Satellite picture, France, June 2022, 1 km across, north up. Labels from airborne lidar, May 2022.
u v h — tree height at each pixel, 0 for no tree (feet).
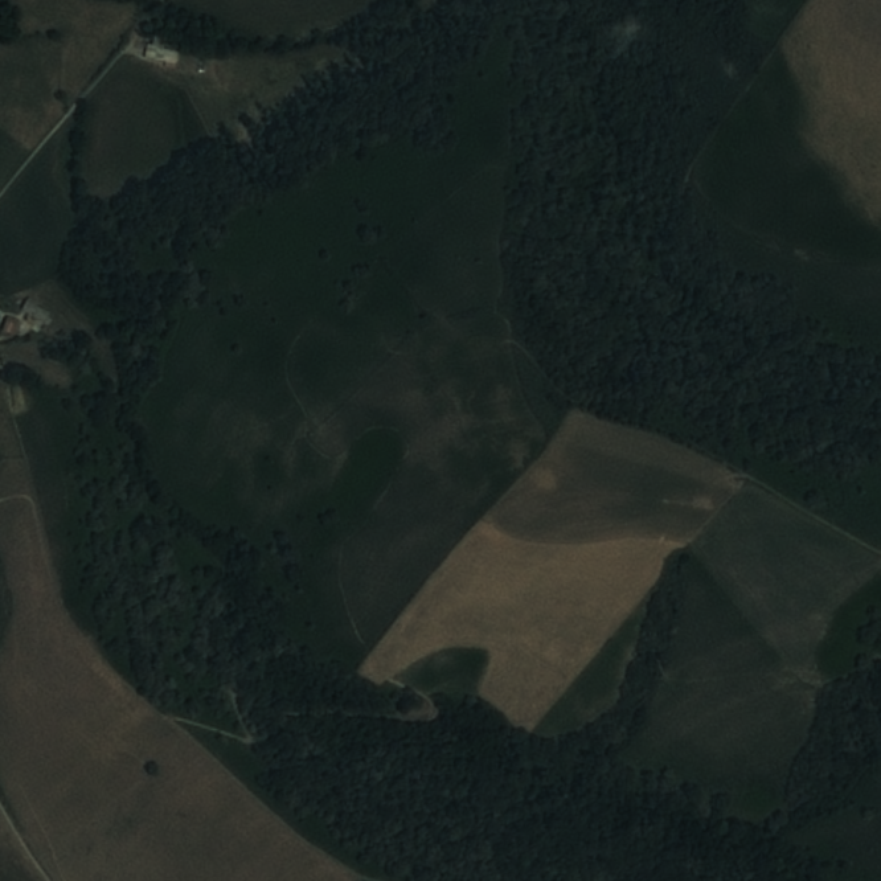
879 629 52
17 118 0
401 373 0
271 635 33
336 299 0
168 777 0
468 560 0
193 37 74
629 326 100
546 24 83
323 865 0
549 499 0
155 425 0
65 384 0
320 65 0
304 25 0
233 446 0
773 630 0
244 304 41
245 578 56
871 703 83
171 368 0
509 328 0
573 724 0
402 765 26
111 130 0
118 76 0
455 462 0
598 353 45
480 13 65
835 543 0
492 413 0
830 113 0
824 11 0
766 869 71
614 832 71
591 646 0
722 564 0
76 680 0
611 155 95
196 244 27
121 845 0
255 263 0
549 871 58
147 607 45
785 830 45
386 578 0
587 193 44
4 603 0
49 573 0
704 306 92
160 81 0
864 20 0
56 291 0
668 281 65
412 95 79
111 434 0
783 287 53
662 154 42
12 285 0
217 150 97
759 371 84
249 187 57
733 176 0
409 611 0
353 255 0
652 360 77
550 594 0
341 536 0
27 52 0
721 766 0
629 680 22
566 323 51
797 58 0
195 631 21
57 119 0
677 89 52
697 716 0
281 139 91
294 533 0
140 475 28
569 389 36
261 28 0
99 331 31
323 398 0
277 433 0
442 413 0
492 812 54
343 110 87
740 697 0
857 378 89
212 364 0
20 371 52
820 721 29
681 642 0
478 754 56
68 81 0
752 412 51
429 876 51
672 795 66
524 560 0
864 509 0
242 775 0
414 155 0
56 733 0
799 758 25
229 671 58
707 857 48
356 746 72
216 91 0
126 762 0
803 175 0
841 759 71
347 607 0
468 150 0
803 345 82
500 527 0
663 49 42
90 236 58
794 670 0
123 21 0
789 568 0
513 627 0
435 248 0
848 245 0
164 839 0
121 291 47
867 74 0
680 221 69
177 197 73
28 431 0
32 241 0
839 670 0
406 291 0
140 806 0
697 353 76
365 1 0
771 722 0
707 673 0
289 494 0
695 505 0
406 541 0
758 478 0
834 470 37
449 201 0
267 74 0
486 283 0
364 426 0
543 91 74
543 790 49
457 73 55
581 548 0
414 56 89
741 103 0
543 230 79
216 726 0
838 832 0
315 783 59
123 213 48
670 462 0
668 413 20
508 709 0
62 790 0
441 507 0
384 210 0
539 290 37
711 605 0
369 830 47
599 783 85
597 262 87
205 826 0
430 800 59
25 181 0
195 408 0
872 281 0
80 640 0
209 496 0
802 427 53
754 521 0
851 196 0
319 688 54
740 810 0
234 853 0
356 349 0
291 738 70
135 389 30
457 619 0
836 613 0
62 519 0
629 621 0
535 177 70
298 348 0
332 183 0
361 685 22
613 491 0
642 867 65
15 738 0
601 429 0
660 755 0
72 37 0
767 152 0
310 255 0
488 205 0
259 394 0
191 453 0
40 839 0
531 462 0
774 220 0
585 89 93
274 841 0
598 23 30
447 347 0
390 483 0
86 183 46
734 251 0
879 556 0
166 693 35
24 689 0
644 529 0
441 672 0
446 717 41
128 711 0
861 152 0
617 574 0
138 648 66
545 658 0
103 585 0
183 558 0
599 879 44
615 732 53
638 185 36
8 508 0
